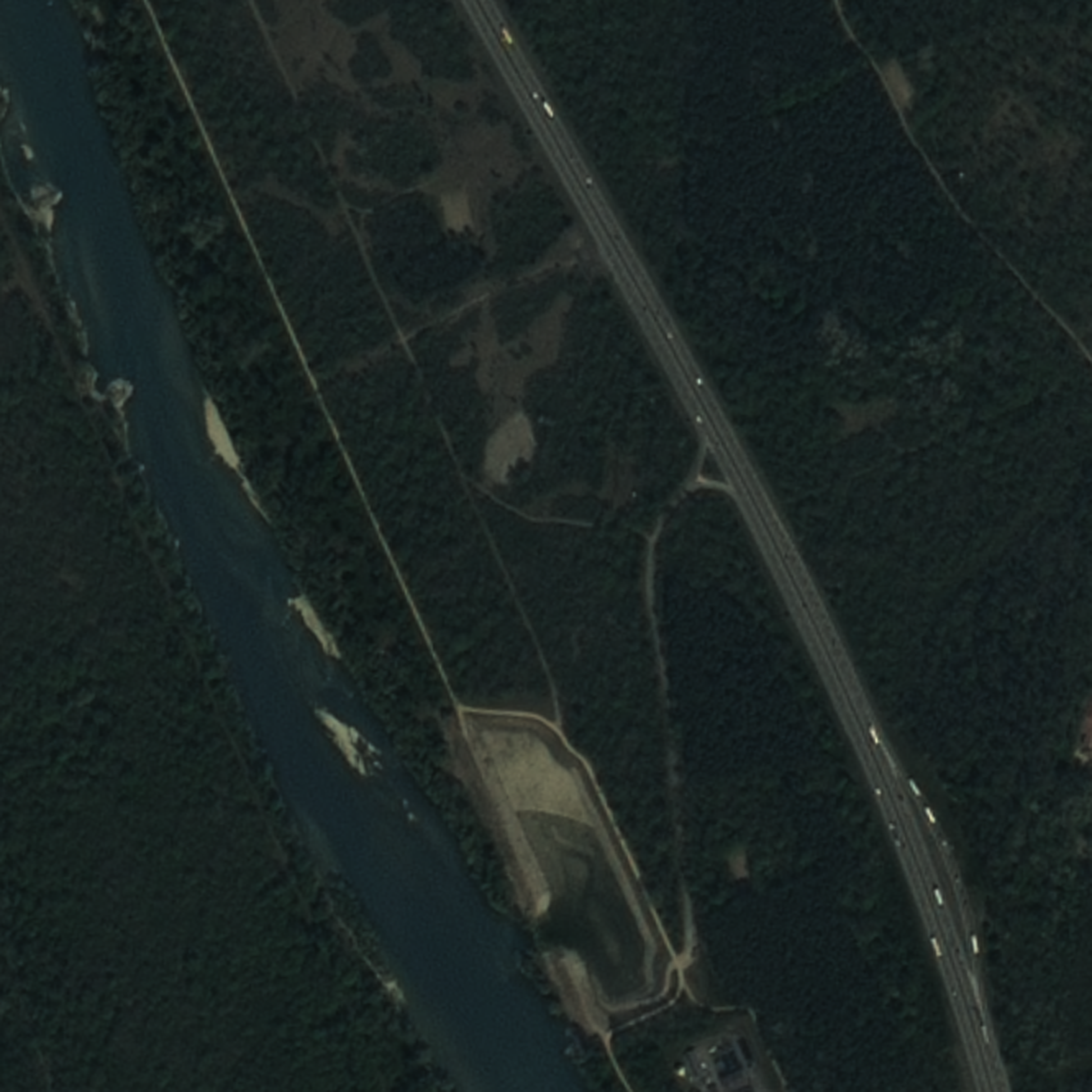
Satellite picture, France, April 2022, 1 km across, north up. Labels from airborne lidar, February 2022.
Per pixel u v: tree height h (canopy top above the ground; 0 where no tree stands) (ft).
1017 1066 47
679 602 57
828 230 68
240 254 52
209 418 0
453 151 0
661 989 0
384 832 0
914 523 55
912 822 0
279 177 0
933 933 0
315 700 0
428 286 41
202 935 29
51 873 33
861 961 63
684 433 39
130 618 30
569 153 0
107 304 0
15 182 0
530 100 0
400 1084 26
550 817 0
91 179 0
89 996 45
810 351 56
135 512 49
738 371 48
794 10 73
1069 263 33
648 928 0
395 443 41
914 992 61
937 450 40
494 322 0
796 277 74
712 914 61
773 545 0
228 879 37
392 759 0
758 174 69
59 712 54
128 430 0
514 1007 0
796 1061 59
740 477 0
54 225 0
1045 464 48
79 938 24
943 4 67
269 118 26
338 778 0
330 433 23
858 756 0
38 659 46
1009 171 46
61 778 49
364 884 0
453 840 0
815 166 65
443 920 0
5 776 40
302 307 41
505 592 39
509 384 0
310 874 54
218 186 45
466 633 80
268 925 38
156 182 52
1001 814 56
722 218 67
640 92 40
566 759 0
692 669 67
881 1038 70
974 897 0
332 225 0
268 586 0
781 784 18
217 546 0
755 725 61
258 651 0
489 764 0
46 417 40
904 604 44
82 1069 42
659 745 29
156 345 0
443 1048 0
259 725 0
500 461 0
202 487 0
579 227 0
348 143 0
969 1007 0
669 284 43
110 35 52
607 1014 0
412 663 53
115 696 37
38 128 0
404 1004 0
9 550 43
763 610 47
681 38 43
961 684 58
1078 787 74
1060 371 45
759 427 46
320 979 48
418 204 29
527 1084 0
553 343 0
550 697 0
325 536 47
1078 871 64
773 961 60
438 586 57
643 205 34
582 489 0
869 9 62
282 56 0
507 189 0
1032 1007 82
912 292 73
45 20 0
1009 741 36
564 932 0
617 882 0
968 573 31
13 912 71
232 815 54
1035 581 60
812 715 54
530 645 37
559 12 40
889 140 63
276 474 46
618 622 43
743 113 68
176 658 62
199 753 50
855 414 0
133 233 0
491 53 0
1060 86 0
